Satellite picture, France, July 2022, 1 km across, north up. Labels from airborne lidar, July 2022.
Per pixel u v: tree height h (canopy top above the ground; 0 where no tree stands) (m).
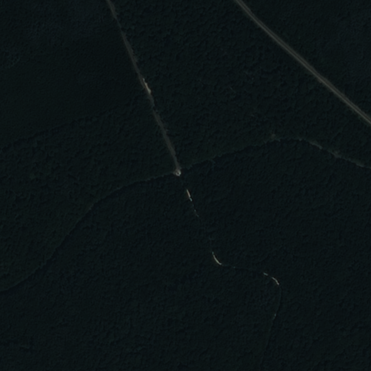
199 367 20
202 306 22
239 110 22
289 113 24
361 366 18
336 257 23
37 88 13
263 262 24
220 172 26
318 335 24
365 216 22
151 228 29
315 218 25
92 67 20
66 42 20
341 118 24
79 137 25
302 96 24
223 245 23
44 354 18
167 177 17
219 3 26
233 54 26
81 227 21
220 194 23
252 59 23
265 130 26
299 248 22
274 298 20
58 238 15
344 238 26
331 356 23
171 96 21
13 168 22
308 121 24
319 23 23
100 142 25
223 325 20
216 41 26
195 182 24
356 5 24
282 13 25
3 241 25
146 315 22
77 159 25
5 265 23
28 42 23
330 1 24
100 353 24
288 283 21
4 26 23
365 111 11
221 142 22
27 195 24
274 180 20
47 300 20
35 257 24
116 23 19
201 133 21
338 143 20
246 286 19
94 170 25
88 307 23
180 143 21
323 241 21
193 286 25
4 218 21
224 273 23
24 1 25
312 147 21
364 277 21
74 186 24
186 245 22
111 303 22
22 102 11
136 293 24
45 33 26
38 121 11
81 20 23
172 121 23
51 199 23
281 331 21
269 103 24
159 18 24
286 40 11
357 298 25
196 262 19
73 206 21
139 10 23
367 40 24
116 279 18
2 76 11
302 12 22
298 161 21
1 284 20
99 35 19
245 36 26
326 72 17
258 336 22
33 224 23
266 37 13
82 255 23
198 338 21
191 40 26
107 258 23
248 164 25
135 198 21
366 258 25
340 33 26
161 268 21
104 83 19
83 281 21
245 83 25
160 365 27
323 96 22
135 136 21
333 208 20
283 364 22
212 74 24
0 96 10
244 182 19
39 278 22
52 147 23
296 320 23
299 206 23
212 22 25
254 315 21
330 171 27
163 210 14
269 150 26
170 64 26
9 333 7
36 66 13
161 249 25
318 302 23
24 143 23
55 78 15
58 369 20
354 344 20
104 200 23
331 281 21
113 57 18
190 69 21
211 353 17
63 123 13
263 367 25
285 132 23
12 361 18
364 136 24
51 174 25
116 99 20
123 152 25
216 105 20
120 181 22
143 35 24
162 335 24
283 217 24
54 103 13
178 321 22
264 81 27
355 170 24
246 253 13
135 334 13
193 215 21
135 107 26
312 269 23
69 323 25
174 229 27
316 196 29
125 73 20
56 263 26
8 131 14
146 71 23
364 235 16
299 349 19
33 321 24
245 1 14
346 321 21
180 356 23
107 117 19
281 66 22
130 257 23
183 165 7
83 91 20
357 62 25
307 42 28
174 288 26
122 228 24
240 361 20
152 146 17
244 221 19
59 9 21
